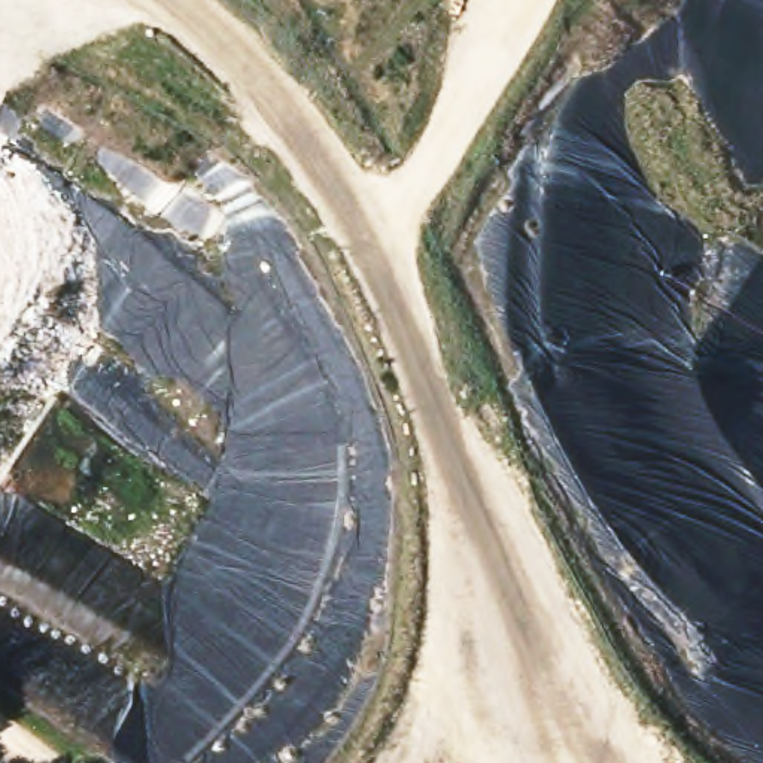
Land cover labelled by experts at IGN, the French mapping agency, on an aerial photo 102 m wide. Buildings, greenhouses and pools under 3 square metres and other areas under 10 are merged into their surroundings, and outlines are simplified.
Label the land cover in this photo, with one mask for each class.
<instances>
[{"label":"pervious surface","instance_id":"1","mask_svg":"<svg viewBox=\"0 0 763 763\"><path fill-rule=\"evenodd\" d=\"M450 12V48L444 63V83L426 122V131L405 158V164L399 158H384L379 164L370 158V152H349V146L334 131L331 119L313 101L310 89L286 72V63L271 51L268 39L256 36L241 18H235L224 0H0V763H72L66 757H57L54 748L45 745L39 736L15 724L30 700H45L57 706L63 715H72L75 724L92 730L116 754L113 763H763V0H620L611 9L626 24V42L614 66L605 72L596 60H578L572 54L563 75L539 98V110L504 125L513 140L501 137L495 143L492 161L474 182L468 203L459 215V227L468 229L474 215L486 209L474 238L477 253L459 265V271L486 322L489 340L504 370L501 376H495L498 399L486 402L483 411L471 417L462 408L468 402V384L447 373L435 319L423 295L417 271L420 227L429 221L432 200L456 173L468 143L474 140L477 128L495 107V101L501 98L525 54L531 51L557 0H444ZM131 24H143V36H152L155 27L173 33L221 77L215 83V98L224 107H229L227 116L244 125V131L259 146H268L283 161L295 188L319 212L322 227L298 232L292 218L280 209L265 206V200L253 191V179L244 176L241 167L224 161L218 149H209L206 158H200L197 176L191 182H167L155 173L149 161L110 149L116 137L107 119H86L83 125H77L63 107L39 104L36 89L27 83L30 77H36L39 66L80 45L98 60H113L128 45L125 27ZM668 75L674 77V83L694 80L697 86L700 149L712 158H721L724 164V179L733 188V203L739 209L742 227L736 244L712 241V247H703L697 227H691L680 215L674 218L656 212V194L650 188V179L629 146L626 89L641 77L665 80ZM39 128L60 134L63 143L80 140L83 146H89V152L104 167L107 179L116 182V188L122 191L119 212L128 221L125 227H116L113 215H107L95 203L86 206L83 224L75 227V215L63 203L60 191H54L48 179L30 161L21 158V140L33 137V131ZM57 393H69L119 447L161 468L167 477L188 489L185 507L200 513L188 542L173 545V531L155 525L152 531L134 539H119V545L110 551L107 545L72 531L60 516H51L42 507L30 510V504L15 489L12 468L30 447L48 411L54 408Z\"/></svg>","mask_w":763,"mask_h":763},{"label":"herbaceous vegetation","instance_id":"2","mask_svg":"<svg viewBox=\"0 0 763 763\"><path fill-rule=\"evenodd\" d=\"M235 18H241L256 36L268 39L271 51L286 63V72L310 89L313 101L331 119L334 131L349 146V152H370V158L379 164L384 158H399L405 164V158L426 131V122L444 83V63L450 48V12L444 0H224ZM402 45H411L414 51L408 63V83L379 80L376 66L387 63L393 51ZM620 0H557L531 51L525 54L501 98L495 101V107L477 128L474 140L468 143L456 173L432 200L429 221L420 227L417 271L423 295L435 319L447 373L468 384V402L462 408L471 417L483 411L486 402L498 399L495 376H501L504 370L489 340L486 322L459 271V265L477 253L474 238L486 209L474 215L468 229L459 227V215L468 203L474 182L492 161L495 143L501 137L513 140L504 125L539 110V98L563 75L572 54L578 60H596L605 72L614 66L626 42V24L611 9ZM128 45L113 60H98L80 45L39 66L36 77H30L27 83L36 89L39 104L63 107L77 125H83L86 119H107L116 137L110 149L149 161L155 173L167 182H191L197 176L200 158H206L209 149H218L224 161L241 167L244 176L253 179V191L265 200V206L280 209L292 218L298 232L322 227L319 212L295 188L283 161L268 146H259L244 131V125L227 116L229 107H224L215 98V83L221 77L173 33L155 27L152 36H143V24H131L125 27ZM697 86L694 80L674 83V77L668 75L665 80L641 77L626 89L629 146L650 179V188L656 194V212L674 218L680 215L691 227H697L703 247H712V241L736 244L742 227L739 209L733 203V188L724 179V164L721 158H712L700 149ZM21 158L30 161L48 179L54 191H60L63 203L75 215V227L83 224L86 206L95 203L107 215H113L116 227H125L128 221L119 212L122 191L116 188V182L107 179L104 167L89 152V146H83L80 140L63 143L60 134L39 128L33 131V137L21 140ZM15 489L30 504V510L42 507L51 516H60L72 531L107 545L110 551L119 545V539H134L152 531L155 525L173 531V545L188 542L200 513L185 507L188 489L167 477L161 468L119 447L69 393H57L54 408L48 411L30 447L12 468ZM15 724L39 736L45 745L54 748L57 757H66L72 763H113L116 754L92 730L75 724L72 715H63L57 706L45 700H30Z\"/></svg>","mask_w":763,"mask_h":763},{"label":"brushwood","instance_id":"3","mask_svg":"<svg viewBox=\"0 0 763 763\"><path fill-rule=\"evenodd\" d=\"M414 51L411 45H402L393 51L387 63L376 66L379 80L408 83V63Z\"/></svg>","mask_w":763,"mask_h":763}]
</instances>
